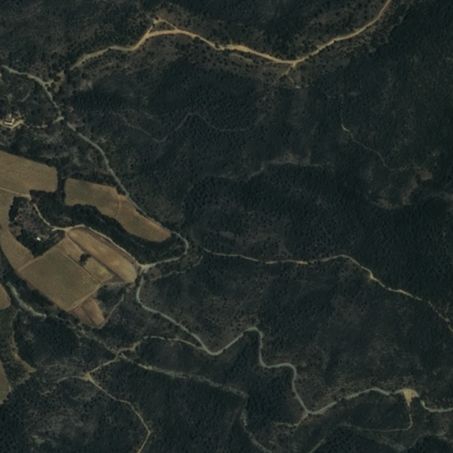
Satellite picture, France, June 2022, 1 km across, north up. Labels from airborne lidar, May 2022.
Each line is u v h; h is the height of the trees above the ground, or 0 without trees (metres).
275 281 6
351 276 6
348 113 8
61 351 10
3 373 0
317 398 8
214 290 5
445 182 10
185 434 8
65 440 7
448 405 8
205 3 14
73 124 0
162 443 13
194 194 10
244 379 7
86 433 8
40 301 10
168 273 6
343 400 9
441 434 0
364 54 11
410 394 0
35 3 0
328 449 10
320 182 6
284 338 11
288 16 9
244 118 11
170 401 14
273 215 7
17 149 13
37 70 7
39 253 12
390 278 14
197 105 14
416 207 12
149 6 10
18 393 13
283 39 13
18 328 10
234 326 10
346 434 16
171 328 9
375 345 0
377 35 9
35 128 8
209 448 12
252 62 0
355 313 0
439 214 10
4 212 0
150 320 0
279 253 0
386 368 6
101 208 0
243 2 14
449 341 6
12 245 0
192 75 9
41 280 0
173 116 12
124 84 7
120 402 10
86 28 6
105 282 0
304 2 11
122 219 0
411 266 7
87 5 0
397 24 15
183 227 9
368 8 16
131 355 11
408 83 8
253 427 11
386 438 0
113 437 9
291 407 0
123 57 10
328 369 7
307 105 6
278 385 10
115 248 0
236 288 0
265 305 9
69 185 0
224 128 15
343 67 16
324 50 9
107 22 7
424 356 6
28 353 8
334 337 0
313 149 7
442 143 7
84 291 0
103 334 8
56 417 0
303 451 8
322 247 11
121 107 11
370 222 8
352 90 6
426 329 7
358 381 0
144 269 0
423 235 10
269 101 14
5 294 0
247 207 9
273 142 6
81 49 6
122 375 10
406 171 5
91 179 13
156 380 8
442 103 6
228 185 13
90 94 11
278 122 9
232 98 16
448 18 14
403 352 6
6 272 9
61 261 0
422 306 7
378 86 9
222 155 12
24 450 10
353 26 9
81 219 9
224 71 14
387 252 11
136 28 9
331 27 8
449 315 8
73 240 0
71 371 0
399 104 7
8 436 18
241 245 0
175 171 10
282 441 7
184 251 8
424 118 5
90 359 9
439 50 6
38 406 12
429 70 7
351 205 9
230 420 8
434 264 12
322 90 10
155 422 6
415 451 18
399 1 8
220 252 8
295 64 0
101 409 0
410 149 8
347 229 7
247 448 8
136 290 6
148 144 8
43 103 8
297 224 9
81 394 0
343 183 14
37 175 0
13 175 0
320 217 8
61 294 0
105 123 11
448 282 12
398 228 9
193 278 0
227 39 10
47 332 6
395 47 10
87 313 0
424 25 10
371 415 7
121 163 6
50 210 7
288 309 8
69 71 12
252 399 9
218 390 10
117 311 0
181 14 8
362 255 6
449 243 10
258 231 6
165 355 0
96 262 0
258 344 12
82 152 12
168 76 8
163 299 0
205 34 0
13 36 11
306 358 0
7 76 14
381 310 0
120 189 9
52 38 11
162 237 0
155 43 0
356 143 7
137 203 7
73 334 7
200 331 7
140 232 0
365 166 7
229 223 9
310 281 9
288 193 13
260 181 8
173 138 11
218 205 13
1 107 9
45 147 7
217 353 0
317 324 7
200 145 12
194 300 0
